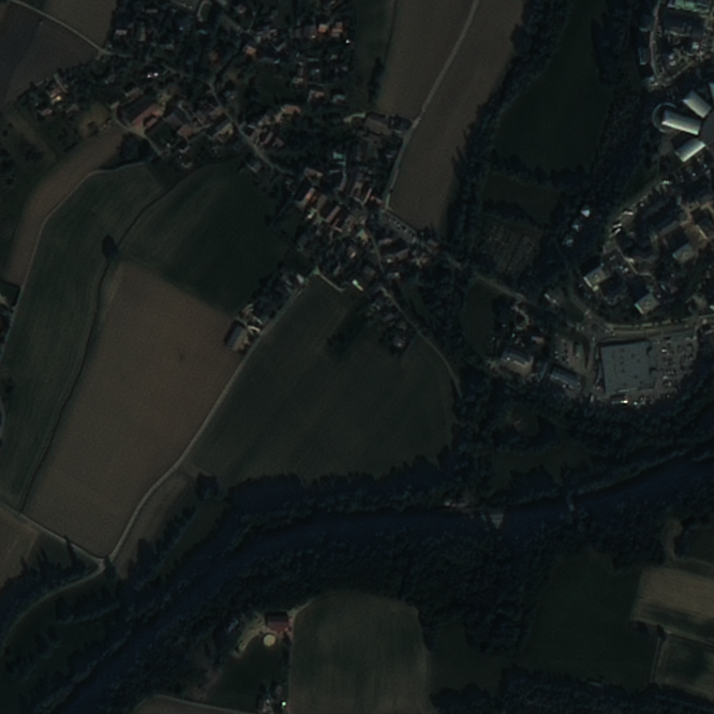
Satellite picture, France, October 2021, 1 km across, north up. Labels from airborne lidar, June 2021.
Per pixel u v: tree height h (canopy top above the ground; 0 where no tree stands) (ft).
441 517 0
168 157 0
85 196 0
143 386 0
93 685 0
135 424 0
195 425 0
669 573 0
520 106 0
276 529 21
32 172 0
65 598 0
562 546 72
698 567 0
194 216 0
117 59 20
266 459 0
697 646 0
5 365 0
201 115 0
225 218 0
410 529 63
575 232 22
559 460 0
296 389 0
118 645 43
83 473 0
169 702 0
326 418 0
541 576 59
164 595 51
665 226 0
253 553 90
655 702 45
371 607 0
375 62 0
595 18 0
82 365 0
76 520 0
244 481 0
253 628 0
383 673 0
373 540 62
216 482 0
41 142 0
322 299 0
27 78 0
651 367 0
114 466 0
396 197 0
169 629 74
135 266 0
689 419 33
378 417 0
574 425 52
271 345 0
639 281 0
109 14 0
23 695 0
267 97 0
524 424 0
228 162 0
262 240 0
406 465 0
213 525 0
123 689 79
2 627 69
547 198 0
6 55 0
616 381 0
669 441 42
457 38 0
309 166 0
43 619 0
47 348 0
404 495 51
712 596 0
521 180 57
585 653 0
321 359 0
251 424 0
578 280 56
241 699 0
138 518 0
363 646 0
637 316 26
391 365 0
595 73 0
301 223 0
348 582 71
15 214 0
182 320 0
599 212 21
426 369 0
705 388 70
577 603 0
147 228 0
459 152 0
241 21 22
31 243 0
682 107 48
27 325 0
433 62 0
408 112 0
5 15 0
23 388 0
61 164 0
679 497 79
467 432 48
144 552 0
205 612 59
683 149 0
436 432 0
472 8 0
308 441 0
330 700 0
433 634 56
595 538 67
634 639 0
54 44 0
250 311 0
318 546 77
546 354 18
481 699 52
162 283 0
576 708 50
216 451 0
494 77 0
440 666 0
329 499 61
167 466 0
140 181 0
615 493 0
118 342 0
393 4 0
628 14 32
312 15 25
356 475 0
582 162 0
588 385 0
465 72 0
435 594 67
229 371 0
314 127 43
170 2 26
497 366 0
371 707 0
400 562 44
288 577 76
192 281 0
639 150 29
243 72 24
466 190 49
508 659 0
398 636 0
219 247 0
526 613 56
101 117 0
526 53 42
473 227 63
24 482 0
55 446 0
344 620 0
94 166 0
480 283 0
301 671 0
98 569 0
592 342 0
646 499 50
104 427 0
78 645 0
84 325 0
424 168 0
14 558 0
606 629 0
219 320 0
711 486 79
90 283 0
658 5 0
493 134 35
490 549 68
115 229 0
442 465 0
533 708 43
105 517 0
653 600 0
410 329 22
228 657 29
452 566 57
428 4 0
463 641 0
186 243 0
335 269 0
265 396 0
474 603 73
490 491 76
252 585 50
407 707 0
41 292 0
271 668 0
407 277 61
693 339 0
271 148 29
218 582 82
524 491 50
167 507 0
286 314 0
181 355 0
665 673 0
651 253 0
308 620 0
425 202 0
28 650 0
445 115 0
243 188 0
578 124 0
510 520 0
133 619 37
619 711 66
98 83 22
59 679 0
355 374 0
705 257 39
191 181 0
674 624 0
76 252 0
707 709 39
